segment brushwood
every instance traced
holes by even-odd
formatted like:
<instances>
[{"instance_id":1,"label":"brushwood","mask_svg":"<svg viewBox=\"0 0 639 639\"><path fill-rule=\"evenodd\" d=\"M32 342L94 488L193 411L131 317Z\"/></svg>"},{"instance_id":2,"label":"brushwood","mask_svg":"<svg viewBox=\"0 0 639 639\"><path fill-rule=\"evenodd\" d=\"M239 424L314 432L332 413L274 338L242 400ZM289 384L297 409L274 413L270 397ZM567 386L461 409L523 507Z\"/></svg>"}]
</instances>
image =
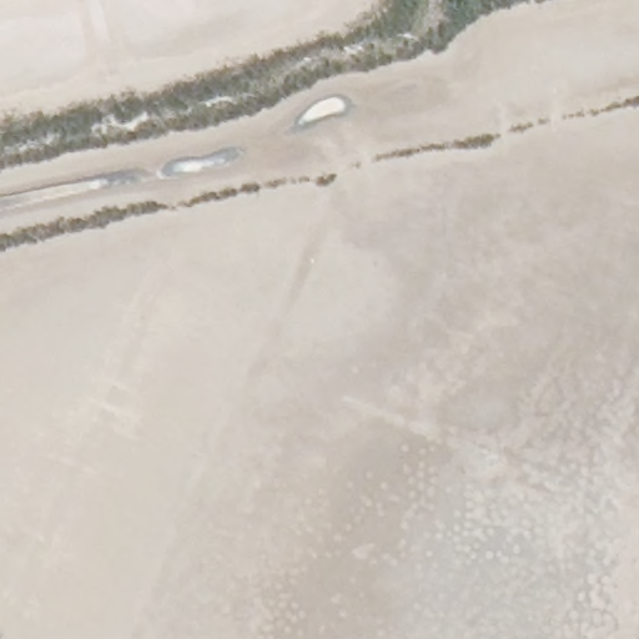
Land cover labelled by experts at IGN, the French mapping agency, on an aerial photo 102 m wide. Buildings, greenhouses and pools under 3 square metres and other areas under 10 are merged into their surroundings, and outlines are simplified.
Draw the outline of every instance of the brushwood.
<instances>
[{"instance_id":1,"label":"brushwood","mask_svg":"<svg viewBox=\"0 0 639 639\"><path fill-rule=\"evenodd\" d=\"M424 37L407 40L397 50L399 60L412 60L427 50L442 52L467 25L479 20L482 15L527 0L444 0L444 20L437 27L429 27Z\"/></svg>"},{"instance_id":2,"label":"brushwood","mask_svg":"<svg viewBox=\"0 0 639 639\"><path fill-rule=\"evenodd\" d=\"M499 130L494 135L412 145L402 150L377 152L374 160L382 162L422 152L484 147L492 145L497 137L509 137L512 132L532 130L532 122L519 122L509 127L507 122L499 122Z\"/></svg>"},{"instance_id":3,"label":"brushwood","mask_svg":"<svg viewBox=\"0 0 639 639\"><path fill-rule=\"evenodd\" d=\"M579 120L607 115L624 107L639 107L639 95L614 100L604 107L562 112L564 120Z\"/></svg>"},{"instance_id":4,"label":"brushwood","mask_svg":"<svg viewBox=\"0 0 639 639\"><path fill-rule=\"evenodd\" d=\"M275 177L260 185L245 182L225 190L200 192L190 200L177 200L167 205L147 200L125 207L102 207L85 217L60 217L45 225L20 227L15 232L0 232L0 250L27 242L42 242L65 232L105 227L132 215L182 210L202 202L227 200L235 195L275 190L282 185L302 185L310 182L310 175L285 180Z\"/></svg>"},{"instance_id":5,"label":"brushwood","mask_svg":"<svg viewBox=\"0 0 639 639\"><path fill-rule=\"evenodd\" d=\"M272 107L292 92L312 87L317 80L339 72L367 72L392 62L387 52L359 52L349 60L324 60L312 70L305 67L295 72L290 62L324 47L354 45L364 37L384 40L397 32L409 32L422 0L379 0L372 10L359 15L349 32L342 35L320 35L317 40L295 47L282 47L265 57L250 57L242 65L220 67L197 75L195 80L167 85L165 90L150 92L145 97L130 92L130 97L125 100L90 100L57 115L32 112L27 117L5 117L0 122L0 147L25 142L47 132L57 135L57 142L47 147L0 157L0 170L52 160L57 155L77 150L127 145L135 140L160 137L175 130L202 130ZM115 130L97 137L90 130L90 125L100 122L102 117L115 115L117 120L132 120L140 112L162 112L167 107L175 110L175 117L165 122L142 122L135 130Z\"/></svg>"}]
</instances>

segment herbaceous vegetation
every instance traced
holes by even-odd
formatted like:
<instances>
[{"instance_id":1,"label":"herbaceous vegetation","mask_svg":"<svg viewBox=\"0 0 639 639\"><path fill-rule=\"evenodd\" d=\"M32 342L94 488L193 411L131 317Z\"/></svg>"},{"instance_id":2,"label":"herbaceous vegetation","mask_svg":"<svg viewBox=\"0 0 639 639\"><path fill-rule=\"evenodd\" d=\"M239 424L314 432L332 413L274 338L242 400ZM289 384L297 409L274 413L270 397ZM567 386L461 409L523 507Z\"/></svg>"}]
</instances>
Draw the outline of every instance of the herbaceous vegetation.
<instances>
[{"instance_id":1,"label":"herbaceous vegetation","mask_svg":"<svg viewBox=\"0 0 639 639\"><path fill-rule=\"evenodd\" d=\"M324 47L290 62L295 72L305 67L312 70L324 60L349 60L359 52L387 52L392 62L399 60L397 50L407 40L424 37L429 27L437 27L444 20L444 0L422 0L409 32L397 32L384 40L364 37L354 45Z\"/></svg>"},{"instance_id":2,"label":"herbaceous vegetation","mask_svg":"<svg viewBox=\"0 0 639 639\"><path fill-rule=\"evenodd\" d=\"M25 142L0 147L0 157L47 147L57 142L57 135L47 132Z\"/></svg>"},{"instance_id":3,"label":"herbaceous vegetation","mask_svg":"<svg viewBox=\"0 0 639 639\"><path fill-rule=\"evenodd\" d=\"M135 130L142 122L165 122L175 117L175 110L167 107L162 112L140 112L132 120L117 120L115 115L102 117L100 122L90 125L90 130L97 137L115 130Z\"/></svg>"}]
</instances>

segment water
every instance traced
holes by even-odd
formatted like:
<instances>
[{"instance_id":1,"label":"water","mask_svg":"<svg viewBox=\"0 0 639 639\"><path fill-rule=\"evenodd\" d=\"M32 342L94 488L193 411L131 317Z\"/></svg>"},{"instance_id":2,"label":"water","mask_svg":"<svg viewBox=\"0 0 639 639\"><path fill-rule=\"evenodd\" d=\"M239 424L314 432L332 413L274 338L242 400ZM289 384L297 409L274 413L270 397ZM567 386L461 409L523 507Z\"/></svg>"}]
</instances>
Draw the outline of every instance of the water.
<instances>
[{"instance_id":1,"label":"water","mask_svg":"<svg viewBox=\"0 0 639 639\"><path fill-rule=\"evenodd\" d=\"M182 162L182 172L220 167L225 160L237 160L237 147L217 147L207 150L210 160Z\"/></svg>"},{"instance_id":2,"label":"water","mask_svg":"<svg viewBox=\"0 0 639 639\"><path fill-rule=\"evenodd\" d=\"M17 202L22 195L30 192L92 180L137 182L147 175L147 170L125 167L110 172L80 172L0 190L0 207Z\"/></svg>"},{"instance_id":3,"label":"water","mask_svg":"<svg viewBox=\"0 0 639 639\"><path fill-rule=\"evenodd\" d=\"M342 110L342 100L322 100L307 110L307 120Z\"/></svg>"}]
</instances>

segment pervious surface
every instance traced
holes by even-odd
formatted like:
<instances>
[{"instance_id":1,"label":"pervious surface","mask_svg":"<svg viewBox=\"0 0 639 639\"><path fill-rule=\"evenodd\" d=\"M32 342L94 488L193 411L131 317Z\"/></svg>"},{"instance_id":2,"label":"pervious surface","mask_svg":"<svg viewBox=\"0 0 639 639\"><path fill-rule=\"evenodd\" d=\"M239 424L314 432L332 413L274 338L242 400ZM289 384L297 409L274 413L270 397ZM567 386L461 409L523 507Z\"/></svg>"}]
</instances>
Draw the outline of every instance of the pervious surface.
<instances>
[{"instance_id":1,"label":"pervious surface","mask_svg":"<svg viewBox=\"0 0 639 639\"><path fill-rule=\"evenodd\" d=\"M197 75L220 67L242 65L250 57L265 57L282 47L295 47L317 40L320 35L342 35L349 32L359 15L372 10L379 0L0 0L0 122L5 117L27 117L32 112L57 115L90 100L125 100L130 97L130 92L145 97L150 92L165 90L167 85L195 80Z\"/></svg>"},{"instance_id":2,"label":"pervious surface","mask_svg":"<svg viewBox=\"0 0 639 639\"><path fill-rule=\"evenodd\" d=\"M479 20L467 25L442 52L427 50L412 60L399 60L392 62L367 72L339 72L317 80L312 87L292 92L272 107L202 130L175 130L160 137L135 140L127 145L77 150L57 155L52 160L0 170L0 190L80 172L110 172L125 167L147 170L147 175L137 182L92 180L30 192L22 195L17 202L0 207L0 232L15 232L20 227L45 225L60 217L85 217L102 207L125 207L147 200L167 205L177 200L190 200L200 192L225 190L245 182L260 185L275 177L285 180L310 175L310 182L302 185L282 185L275 190L235 195L227 200L202 202L182 210L132 215L105 227L65 232L42 242L27 242L0 250L0 639L639 639L639 107L624 107L607 115L579 120L564 120L562 112L604 107L614 100L639 95L639 0L527 0L482 15ZM307 110L322 100L342 100L342 110L307 120ZM492 145L484 147L422 152L382 162L374 160L377 152L402 150L412 145L494 135L499 130L499 122L507 122L509 127L519 122L532 122L532 130L512 132L509 137L497 137ZM220 167L182 172L182 162L210 160L207 150L217 147L237 147L237 160L225 160Z\"/></svg>"}]
</instances>

